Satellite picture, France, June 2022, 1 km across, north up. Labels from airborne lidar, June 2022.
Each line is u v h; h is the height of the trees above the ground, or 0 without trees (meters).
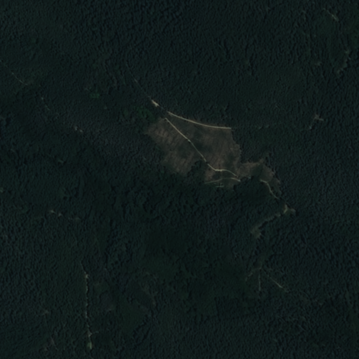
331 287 17
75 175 26
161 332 20
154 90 20
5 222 26
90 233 27
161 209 23
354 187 21
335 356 18
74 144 34
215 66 19
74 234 22
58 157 22
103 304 20
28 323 19
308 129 18
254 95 21
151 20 29
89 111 17
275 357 28
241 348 24
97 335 16
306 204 21
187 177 15
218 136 0
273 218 23
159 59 27
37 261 29
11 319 16
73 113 16
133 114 12
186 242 16
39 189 33
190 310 8
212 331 27
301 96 23
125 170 25
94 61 12
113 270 17
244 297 13
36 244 24
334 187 17
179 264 6
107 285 6
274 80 21
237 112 23
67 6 26
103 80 10
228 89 20
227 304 22
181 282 17
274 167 16
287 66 27
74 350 24
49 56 21
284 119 19
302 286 16
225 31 34
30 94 18
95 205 26
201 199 32
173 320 19
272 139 19
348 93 28
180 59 28
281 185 11
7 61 14
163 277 7
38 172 32
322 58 21
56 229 27
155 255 20
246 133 17
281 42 20
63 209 26
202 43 25
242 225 27
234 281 7
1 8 27
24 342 30
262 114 18
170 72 19
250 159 14
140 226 29
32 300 13
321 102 28
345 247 15
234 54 29
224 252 13
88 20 29
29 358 15
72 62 19
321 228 32
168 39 29
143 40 28
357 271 29
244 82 27
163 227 17
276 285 10
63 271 21
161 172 15
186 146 0
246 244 29
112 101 20
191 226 19
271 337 27
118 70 14
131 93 18
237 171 0
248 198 28
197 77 21
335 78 27
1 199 22
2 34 17
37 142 32
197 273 18
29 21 24
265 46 22
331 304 8
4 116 21
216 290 12
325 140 24
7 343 29
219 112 10
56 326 10
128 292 23
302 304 19
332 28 29
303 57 26
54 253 26
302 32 19
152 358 24
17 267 23
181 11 37
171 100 21
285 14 19
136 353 24
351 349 25
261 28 25
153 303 23
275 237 15
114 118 19
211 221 15
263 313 10
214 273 19
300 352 25
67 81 19
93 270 28
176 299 13
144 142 19
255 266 13
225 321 18
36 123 19
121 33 28
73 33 25
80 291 21
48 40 16
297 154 18
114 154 13
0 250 12
